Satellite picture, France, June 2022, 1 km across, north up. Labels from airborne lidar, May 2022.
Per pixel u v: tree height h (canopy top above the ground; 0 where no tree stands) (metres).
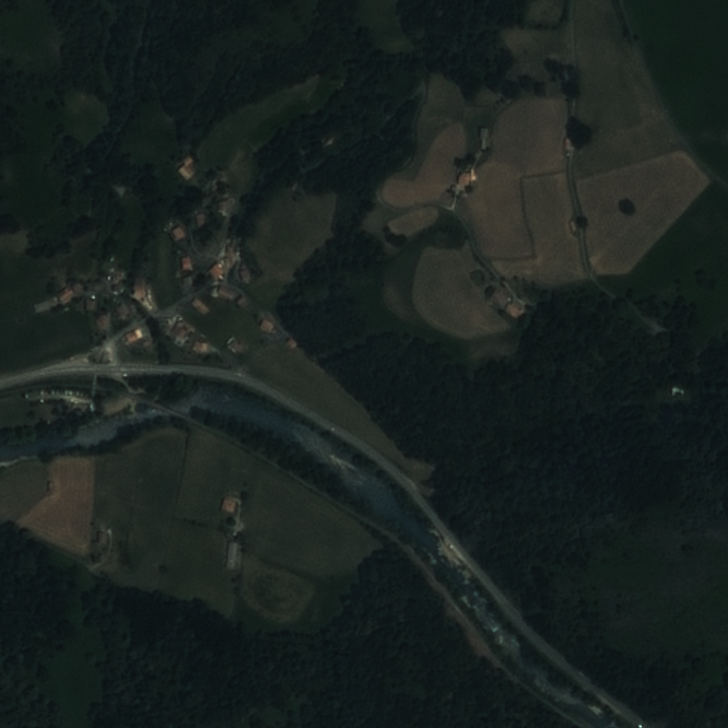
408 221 0
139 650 26
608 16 0
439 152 0
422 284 0
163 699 21
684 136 0
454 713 18
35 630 24
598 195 0
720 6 0
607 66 0
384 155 23
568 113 0
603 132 0
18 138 16
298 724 9
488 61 23
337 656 17
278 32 6
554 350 13
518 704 21
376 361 22
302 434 0
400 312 0
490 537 9
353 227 11
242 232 13
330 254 7
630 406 14
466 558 0
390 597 16
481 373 12
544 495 7
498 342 0
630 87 0
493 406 24
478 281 0
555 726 25
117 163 29
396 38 0
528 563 8
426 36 9
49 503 0
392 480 20
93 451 12
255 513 0
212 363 7
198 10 16
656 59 0
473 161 10
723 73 0
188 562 0
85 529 0
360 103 13
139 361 0
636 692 18
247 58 7
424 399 24
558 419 19
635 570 0
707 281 15
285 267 0
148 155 0
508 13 17
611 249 0
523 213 0
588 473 34
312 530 0
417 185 0
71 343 0
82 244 0
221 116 20
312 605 0
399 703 14
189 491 0
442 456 18
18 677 15
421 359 18
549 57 0
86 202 0
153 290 0
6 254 0
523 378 21
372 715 15
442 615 15
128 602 14
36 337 0
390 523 12
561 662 0
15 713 23
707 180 0
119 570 0
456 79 19
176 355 0
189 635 17
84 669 0
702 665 13
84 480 0
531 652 19
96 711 16
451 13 12
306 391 0
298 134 18
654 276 0
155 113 0
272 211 0
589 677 25
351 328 19
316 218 0
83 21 19
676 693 19
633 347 14
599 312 17
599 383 9
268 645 14
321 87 0
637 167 0
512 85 24
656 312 8
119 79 11
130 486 0
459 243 0
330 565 0
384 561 24
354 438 0
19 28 0
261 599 0
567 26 0
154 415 0
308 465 15
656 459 31
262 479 0
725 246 0
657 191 0
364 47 16
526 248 0
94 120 0
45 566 12
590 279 0
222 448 0
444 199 0
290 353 0
